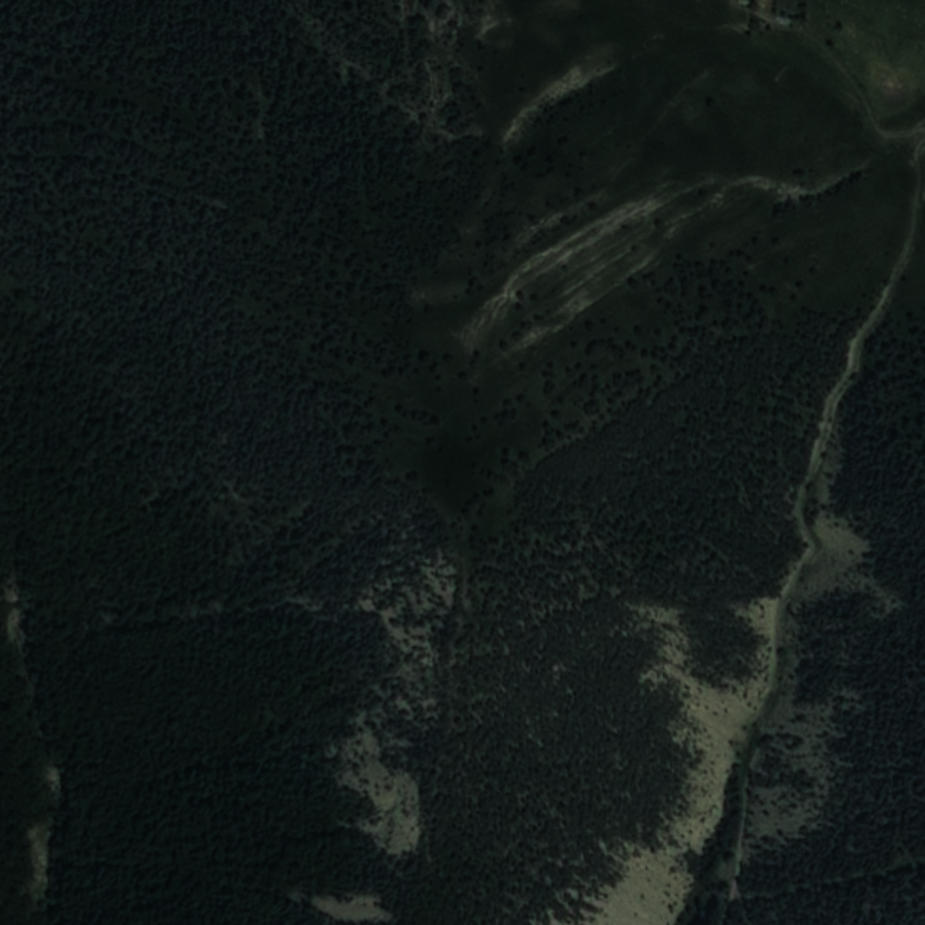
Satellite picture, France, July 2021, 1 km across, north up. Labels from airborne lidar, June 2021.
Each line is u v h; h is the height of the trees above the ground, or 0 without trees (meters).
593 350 12
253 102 11
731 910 12
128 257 13
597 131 0
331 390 10
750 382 12
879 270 0
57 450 22
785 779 8
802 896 15
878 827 11
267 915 15
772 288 8
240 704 17
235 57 23
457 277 0
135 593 16
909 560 10
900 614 7
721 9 0
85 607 15
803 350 8
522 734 6
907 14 0
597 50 0
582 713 11
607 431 9
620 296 0
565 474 10
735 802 9
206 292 15
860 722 7
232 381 14
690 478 14
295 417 12
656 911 0
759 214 0
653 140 0
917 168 0
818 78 0
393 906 10
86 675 13
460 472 0
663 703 6
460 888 8
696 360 7
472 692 8
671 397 12
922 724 13
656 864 0
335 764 8
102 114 9
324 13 9
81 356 18
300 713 7
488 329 0
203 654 12
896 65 0
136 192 11
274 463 7
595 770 13
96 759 17
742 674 7
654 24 0
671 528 16
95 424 17
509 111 0
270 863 13
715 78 0
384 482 9
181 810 22
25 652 7
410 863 9
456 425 0
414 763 7
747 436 15
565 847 6
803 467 11
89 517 15
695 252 0
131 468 7
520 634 9
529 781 13
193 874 19
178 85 10
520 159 11
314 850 19
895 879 10
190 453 12
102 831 19
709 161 0
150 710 13
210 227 14
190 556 15
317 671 15
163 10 20
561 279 0
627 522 13
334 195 11
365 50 12
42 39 8
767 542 13
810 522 7
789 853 7
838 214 0
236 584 12
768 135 0
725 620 6
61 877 22
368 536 10
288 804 13
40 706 18
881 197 0
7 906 15
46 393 16
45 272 11
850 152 0
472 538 9
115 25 23
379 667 8
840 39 0
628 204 0
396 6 6
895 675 9
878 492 12
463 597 6
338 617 8
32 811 24
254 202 7
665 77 0
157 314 17
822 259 0
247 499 11
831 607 8
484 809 14
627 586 11
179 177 0
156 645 15
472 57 0
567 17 0
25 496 17
